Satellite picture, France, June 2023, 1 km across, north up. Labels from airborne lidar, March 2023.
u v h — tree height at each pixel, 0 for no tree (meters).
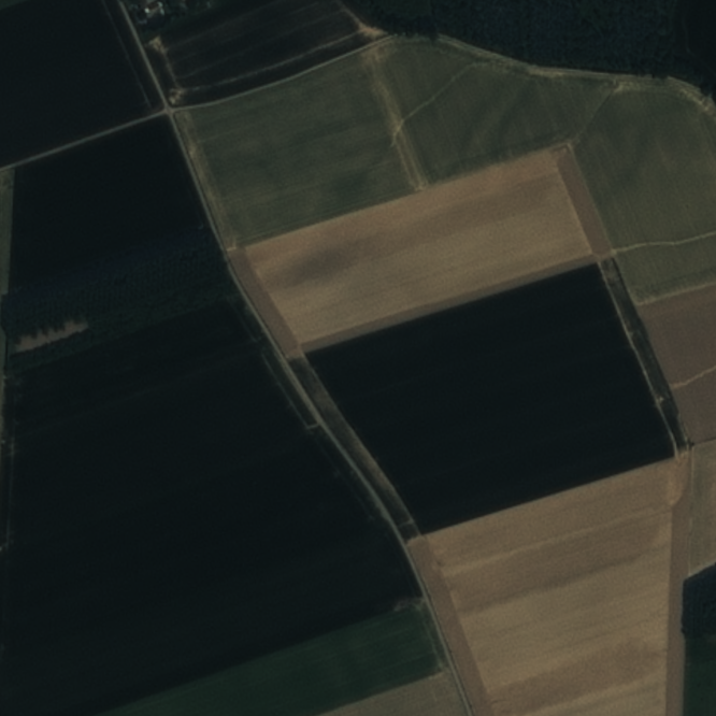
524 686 0
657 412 0
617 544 0
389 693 0
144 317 16
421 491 0
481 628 0
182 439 0
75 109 0
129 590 0
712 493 0
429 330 0
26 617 0
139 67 0
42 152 0
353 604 0
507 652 0
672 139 0
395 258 0
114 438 0
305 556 0
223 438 0
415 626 0
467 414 0
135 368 0
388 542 0
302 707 0
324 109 0
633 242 0
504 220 0
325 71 0
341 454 0
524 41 13
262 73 0
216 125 0
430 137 0
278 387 0
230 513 0
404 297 0
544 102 0
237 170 0
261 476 0
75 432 0
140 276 25
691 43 0
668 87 0
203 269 28
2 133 0
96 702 0
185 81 0
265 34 0
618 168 0
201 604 0
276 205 0
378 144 0
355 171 0
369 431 0
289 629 0
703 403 0
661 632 0
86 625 0
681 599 0
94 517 0
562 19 21
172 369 0
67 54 0
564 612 0
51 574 0
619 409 0
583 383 0
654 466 0
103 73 0
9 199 0
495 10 22
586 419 0
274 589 0
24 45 0
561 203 0
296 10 0
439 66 0
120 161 0
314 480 0
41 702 0
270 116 0
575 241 0
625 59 19
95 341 11
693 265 0
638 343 0
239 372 0
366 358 0
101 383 0
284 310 0
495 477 0
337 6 0
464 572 0
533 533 0
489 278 0
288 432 0
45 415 0
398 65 0
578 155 0
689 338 0
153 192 0
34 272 0
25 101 0
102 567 0
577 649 0
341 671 0
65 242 0
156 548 0
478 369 0
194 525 0
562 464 0
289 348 0
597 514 0
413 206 0
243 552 0
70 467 0
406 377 0
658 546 0
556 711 0
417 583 0
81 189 0
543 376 0
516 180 0
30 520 0
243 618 0
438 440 0
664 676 0
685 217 0
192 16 0
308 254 0
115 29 0
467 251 0
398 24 17
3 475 0
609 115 0
